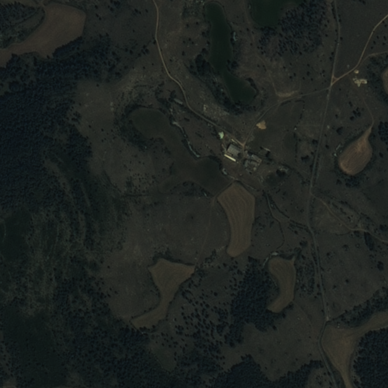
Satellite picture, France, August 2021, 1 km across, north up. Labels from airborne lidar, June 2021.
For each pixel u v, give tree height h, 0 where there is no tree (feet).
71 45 46
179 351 0
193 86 0
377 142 0
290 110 0
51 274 20
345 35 0
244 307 34
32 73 0
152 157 0
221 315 28
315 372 0
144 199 0
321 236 0
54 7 0
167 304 0
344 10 0
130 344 24
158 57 0
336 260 0
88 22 0
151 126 0
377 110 0
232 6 0
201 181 0
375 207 0
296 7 0
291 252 0
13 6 40
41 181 24
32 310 0
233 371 53
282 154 0
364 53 0
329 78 0
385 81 0
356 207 0
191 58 0
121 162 0
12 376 29
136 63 0
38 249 0
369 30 0
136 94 0
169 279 0
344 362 0
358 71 0
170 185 0
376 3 0
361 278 0
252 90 0
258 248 0
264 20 0
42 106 25
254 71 0
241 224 0
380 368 29
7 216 0
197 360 27
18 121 56
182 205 0
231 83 0
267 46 37
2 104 39
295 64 0
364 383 31
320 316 0
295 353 0
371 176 0
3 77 48
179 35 0
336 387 0
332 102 0
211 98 0
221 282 0
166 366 0
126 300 0
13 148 47
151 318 0
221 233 0
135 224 0
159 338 0
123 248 0
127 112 17
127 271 0
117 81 0
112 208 0
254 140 0
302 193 0
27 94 54
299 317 0
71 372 0
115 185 0
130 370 31
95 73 34
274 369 0
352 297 0
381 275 0
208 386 23
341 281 0
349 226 0
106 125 0
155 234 0
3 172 31
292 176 0
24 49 0
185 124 0
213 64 0
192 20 0
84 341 32
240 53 0
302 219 0
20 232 0
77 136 52
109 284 0
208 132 0
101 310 27
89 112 0
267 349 0
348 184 23
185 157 0
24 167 43
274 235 0
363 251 0
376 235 0
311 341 0
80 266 19
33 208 22
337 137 0
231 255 0
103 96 0
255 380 38
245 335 0
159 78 0
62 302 31
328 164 0
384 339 23
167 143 0
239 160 0
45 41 0
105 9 0
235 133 0
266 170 0
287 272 0
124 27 0
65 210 22
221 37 0
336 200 0
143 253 0
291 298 0
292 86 0
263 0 0
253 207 0
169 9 0
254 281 36
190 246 0
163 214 0
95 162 0
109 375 24
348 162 0
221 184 0
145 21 0
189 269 0
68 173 0
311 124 0
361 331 0
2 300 0
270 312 58
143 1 0
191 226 0
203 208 0
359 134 0
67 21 0
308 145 0
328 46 0
